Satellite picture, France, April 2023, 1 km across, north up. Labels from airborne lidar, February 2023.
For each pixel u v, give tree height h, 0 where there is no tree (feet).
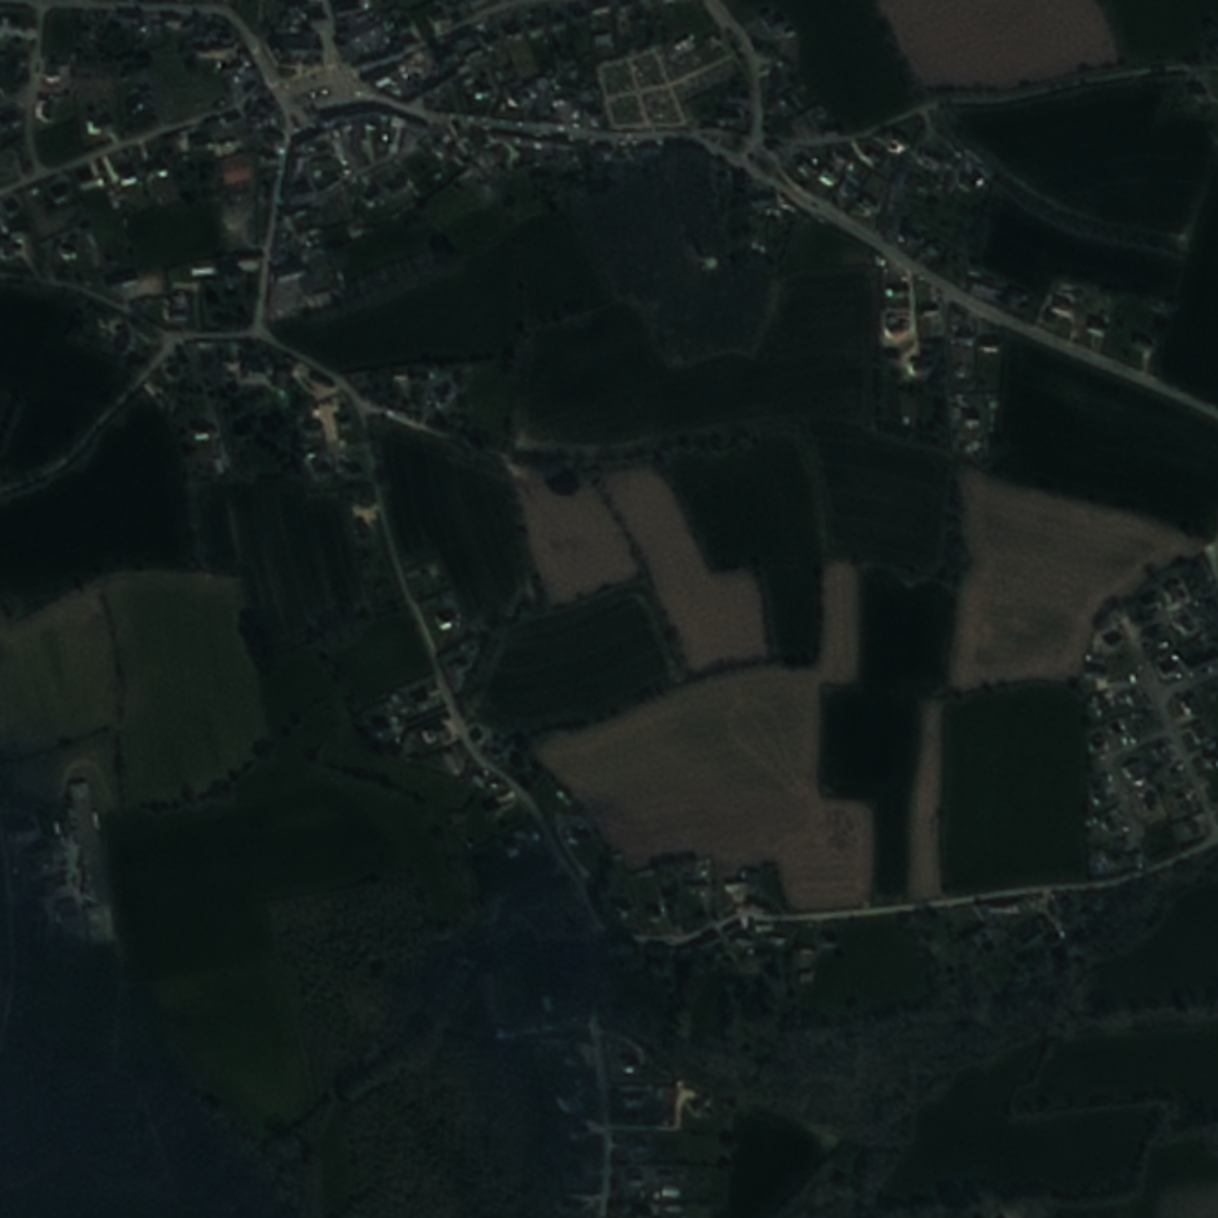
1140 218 0
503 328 0
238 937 0
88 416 0
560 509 0
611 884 37
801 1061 65
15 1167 72
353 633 50
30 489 27
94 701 0
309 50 0
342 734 0
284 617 0
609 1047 0
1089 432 0
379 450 30
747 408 0
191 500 40
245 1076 0
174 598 0
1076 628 0
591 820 26
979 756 0
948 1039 43
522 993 0
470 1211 21
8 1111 51
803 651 0
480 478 0
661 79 0
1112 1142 0
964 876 0
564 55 52
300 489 0
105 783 0
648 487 0
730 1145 37
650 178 50
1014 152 0
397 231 0
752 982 0
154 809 21
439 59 24
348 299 45
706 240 50
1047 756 0
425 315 0
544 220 0
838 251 0
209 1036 0
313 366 0
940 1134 0
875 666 0
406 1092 18
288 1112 0
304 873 0
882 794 0
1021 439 0
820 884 0
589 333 0
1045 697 0
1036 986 32
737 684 0
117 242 0
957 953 41
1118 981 0
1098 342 0
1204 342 0
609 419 0
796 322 0
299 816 0
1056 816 0
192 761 0
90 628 0
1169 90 0
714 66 0
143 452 0
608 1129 0
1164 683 0
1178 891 0
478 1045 21
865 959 0
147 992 0
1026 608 0
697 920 23
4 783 56
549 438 0
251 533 0
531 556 0
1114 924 56
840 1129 43
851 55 0
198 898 0
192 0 0
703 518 0
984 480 0
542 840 0
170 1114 0
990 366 0
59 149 0
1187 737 0
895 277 0
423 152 0
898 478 0
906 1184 0
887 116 0
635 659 0
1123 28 0
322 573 0
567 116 0
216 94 0
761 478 0
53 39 0
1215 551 0
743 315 47
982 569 0
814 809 0
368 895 19
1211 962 0
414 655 0
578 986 45
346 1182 0
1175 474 0
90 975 0
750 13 0
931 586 0
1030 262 0
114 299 0
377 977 26
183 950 0
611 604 0
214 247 0
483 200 0
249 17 0
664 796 0
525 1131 24
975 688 0
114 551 0
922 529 0
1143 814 0
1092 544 0
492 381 0
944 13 0
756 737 0
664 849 0
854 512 0
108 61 19
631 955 58
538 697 0
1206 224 0
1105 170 0
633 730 0
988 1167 0
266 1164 51
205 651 0
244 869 0
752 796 0
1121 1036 0
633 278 49
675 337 46
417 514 0
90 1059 0
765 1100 45
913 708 0
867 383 0
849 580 0
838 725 0
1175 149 0
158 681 0
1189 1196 0
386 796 38
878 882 0
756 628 0
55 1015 0
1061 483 0
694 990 44
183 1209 0
